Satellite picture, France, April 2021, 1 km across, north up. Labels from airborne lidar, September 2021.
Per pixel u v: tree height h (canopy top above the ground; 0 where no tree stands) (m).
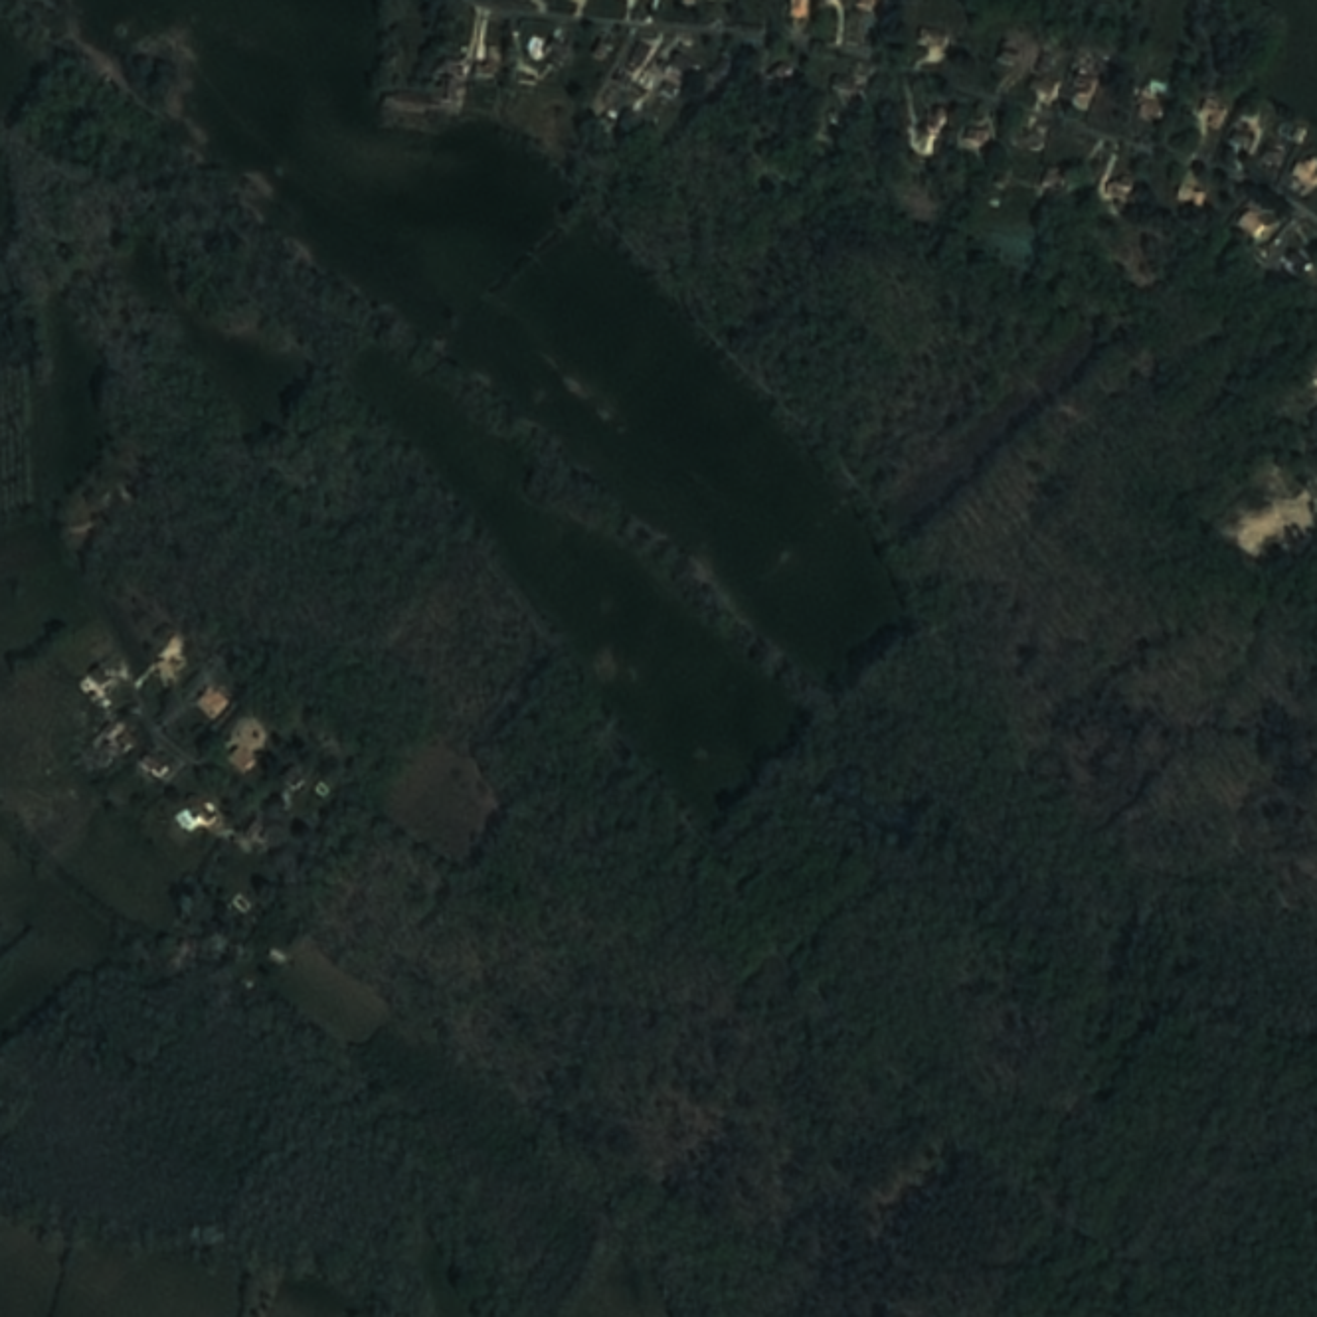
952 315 24
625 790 22
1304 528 0
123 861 0
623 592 0
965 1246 28
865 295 19
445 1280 0
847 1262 23
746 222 25
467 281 0
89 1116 17
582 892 23
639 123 15
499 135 8
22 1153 16
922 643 28
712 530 0
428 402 0
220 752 20
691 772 0
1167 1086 23
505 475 0
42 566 0
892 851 17
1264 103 11
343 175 0
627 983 18
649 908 24
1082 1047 17
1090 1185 22
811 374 21
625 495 0
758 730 0
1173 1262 17
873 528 16
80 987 12
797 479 0
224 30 0
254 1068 14
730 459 0
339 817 12
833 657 0
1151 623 15
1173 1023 24
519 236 0
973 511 17
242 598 20
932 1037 24
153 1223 13
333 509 18
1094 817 12
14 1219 20
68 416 0
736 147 17
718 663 0
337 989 0
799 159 21
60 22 10
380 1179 20
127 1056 13
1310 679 12
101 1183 14
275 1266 20
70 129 7
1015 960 26
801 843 26
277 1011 15
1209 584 23
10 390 26
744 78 19
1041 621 17
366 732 21
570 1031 19
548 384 0
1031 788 24
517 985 17
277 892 12
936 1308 24
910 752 30
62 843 0
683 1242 26
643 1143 19
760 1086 18
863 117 18
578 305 0
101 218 16
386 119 9
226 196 11
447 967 20
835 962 23
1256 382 16
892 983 22
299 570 23
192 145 0
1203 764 21
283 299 17
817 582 0
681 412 0
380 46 7
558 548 0
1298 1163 24
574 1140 24
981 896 15
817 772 23
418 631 6
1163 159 13
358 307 16
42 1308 0
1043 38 12
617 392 0
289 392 0
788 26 10
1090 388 20
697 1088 14
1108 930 25
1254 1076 22
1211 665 13
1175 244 11
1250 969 29
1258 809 10
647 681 0
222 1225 14
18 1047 15
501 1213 14
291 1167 13
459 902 19
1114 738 5
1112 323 11
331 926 17
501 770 20
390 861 19
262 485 19
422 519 19
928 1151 26
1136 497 22
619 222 19
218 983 24
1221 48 17
